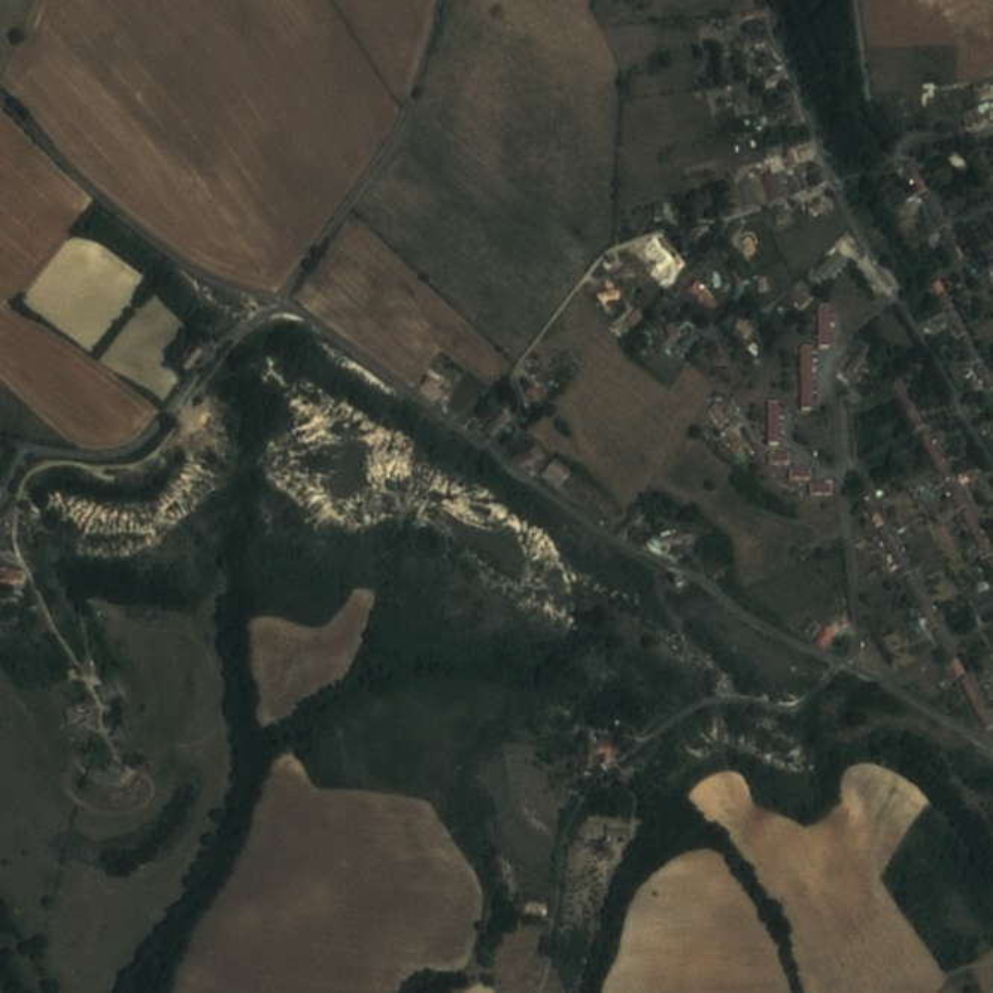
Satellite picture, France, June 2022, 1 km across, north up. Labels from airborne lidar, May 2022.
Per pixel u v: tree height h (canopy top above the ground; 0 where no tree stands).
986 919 6
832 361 0
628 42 0
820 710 0
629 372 0
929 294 11
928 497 0
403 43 0
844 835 0
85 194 0
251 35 0
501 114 0
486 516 0
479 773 0
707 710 9
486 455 11
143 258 11
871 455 8
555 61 0
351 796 0
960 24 0
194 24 0
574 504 0
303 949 0
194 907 15
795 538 0
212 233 0
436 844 0
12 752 0
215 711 0
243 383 12
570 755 9
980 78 0
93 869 0
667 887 0
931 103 0
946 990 0
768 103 9
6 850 0
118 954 0
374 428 0
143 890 0
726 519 0
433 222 0
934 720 0
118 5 0
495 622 0
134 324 0
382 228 0
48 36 0
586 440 0
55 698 0
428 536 10
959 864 8
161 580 6
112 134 0
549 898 6
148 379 0
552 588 0
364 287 0
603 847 8
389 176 0
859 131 12
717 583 6
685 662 0
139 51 0
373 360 0
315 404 0
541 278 0
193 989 0
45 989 16
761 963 0
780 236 0
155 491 8
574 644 11
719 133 6
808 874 0
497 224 0
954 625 9
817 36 17
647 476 0
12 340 0
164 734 0
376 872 0
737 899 0
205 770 0
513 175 0
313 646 0
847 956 0
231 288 0
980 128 0
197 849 0
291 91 0
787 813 8
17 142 0
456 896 0
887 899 0
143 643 0
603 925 11
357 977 0
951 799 17
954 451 6
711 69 9
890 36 0
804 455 0
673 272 0
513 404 9
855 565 0
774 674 0
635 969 0
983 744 0
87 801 0
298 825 0
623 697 10
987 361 7
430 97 0
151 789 0
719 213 8
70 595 12
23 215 0
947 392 15
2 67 0
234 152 0
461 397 0
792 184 0
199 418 0
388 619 7
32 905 0
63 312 0
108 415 0
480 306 0
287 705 0
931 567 0
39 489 9
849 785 0
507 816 0
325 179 0
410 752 0
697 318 12
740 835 0
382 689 9
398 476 0
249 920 0
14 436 6
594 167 0
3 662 9
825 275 0
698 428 7
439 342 0
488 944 14
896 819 0
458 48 0
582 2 0
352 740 0
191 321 14
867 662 0
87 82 0
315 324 0
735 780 0
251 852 0
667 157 6
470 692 0
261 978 0
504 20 0
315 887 0
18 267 0
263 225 0
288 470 0
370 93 0
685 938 0
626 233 7
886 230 15
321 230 0
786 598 0
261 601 9
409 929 0
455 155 0
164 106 0
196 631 0
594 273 0
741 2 0
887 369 13
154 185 0
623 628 0
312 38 0
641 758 7
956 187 11
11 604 6
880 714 0
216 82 0
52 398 0
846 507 0
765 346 6
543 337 0
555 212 0
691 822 12
